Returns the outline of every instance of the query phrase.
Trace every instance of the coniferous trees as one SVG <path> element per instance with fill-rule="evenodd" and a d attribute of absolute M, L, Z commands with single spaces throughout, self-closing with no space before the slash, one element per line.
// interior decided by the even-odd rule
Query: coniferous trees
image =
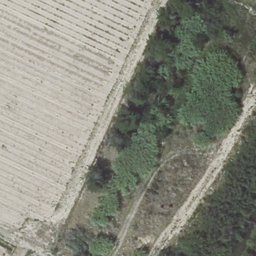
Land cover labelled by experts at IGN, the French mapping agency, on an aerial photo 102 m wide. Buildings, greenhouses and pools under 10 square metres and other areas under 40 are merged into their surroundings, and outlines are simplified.
<path fill-rule="evenodd" d="M 175 59 L 170 53 L 176 50 L 180 43 L 175 37 L 175 30 L 181 24 L 181 15 L 195 16 L 199 13 L 203 21 L 223 29 L 225 26 L 234 27 L 238 19 L 235 13 L 236 4 L 225 0 L 168 0 L 166 6 L 158 11 L 155 31 L 149 35 L 142 53 L 144 59 L 150 62 L 163 61 L 164 65 L 159 67 L 158 72 L 165 73 L 166 80 L 169 79 L 169 70 L 176 67 Z"/>

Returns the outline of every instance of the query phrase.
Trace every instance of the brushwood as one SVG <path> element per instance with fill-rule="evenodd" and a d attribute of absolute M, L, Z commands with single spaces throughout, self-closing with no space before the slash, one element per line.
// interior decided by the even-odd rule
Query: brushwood
<path fill-rule="evenodd" d="M 167 246 L 158 256 L 230 256 L 236 242 L 242 239 L 240 234 L 244 231 L 245 223 L 256 211 L 256 108 L 245 119 L 242 133 L 223 161 L 223 168 L 205 193 L 204 202 L 197 205 L 179 232 L 178 245 Z"/>
<path fill-rule="evenodd" d="M 118 152 L 118 157 L 110 161 L 113 171 L 108 181 L 101 192 L 107 192 L 109 195 L 98 197 L 99 207 L 94 209 L 93 219 L 102 223 L 110 222 L 114 213 L 123 208 L 120 189 L 126 189 L 129 184 L 139 185 L 144 174 L 160 166 L 162 154 L 158 153 L 158 148 L 162 147 L 162 141 L 167 136 L 172 134 L 178 122 L 184 126 L 199 124 L 195 143 L 201 145 L 215 142 L 216 134 L 228 135 L 235 126 L 243 112 L 244 91 L 237 88 L 242 74 L 238 70 L 237 62 L 225 51 L 227 43 L 232 39 L 223 29 L 203 21 L 199 13 L 195 16 L 181 15 L 181 24 L 175 30 L 175 37 L 180 43 L 176 50 L 170 53 L 175 59 L 176 67 L 169 70 L 169 79 L 166 80 L 163 83 L 155 82 L 153 86 L 156 92 L 148 96 L 150 110 L 143 113 L 138 131 L 132 134 L 131 146 Z"/>
<path fill-rule="evenodd" d="M 77 240 L 70 239 L 71 243 L 75 243 L 79 248 L 75 256 L 105 256 L 115 243 L 103 238 L 85 242 L 79 237 Z"/>
<path fill-rule="evenodd" d="M 250 238 L 248 239 L 246 247 L 244 248 L 244 251 L 242 252 L 241 256 L 256 256 L 256 224 L 254 225 Z"/>

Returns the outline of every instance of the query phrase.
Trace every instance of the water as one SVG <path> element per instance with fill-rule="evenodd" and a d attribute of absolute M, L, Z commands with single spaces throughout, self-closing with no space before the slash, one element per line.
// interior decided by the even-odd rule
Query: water
<path fill-rule="evenodd" d="M 254 225 L 256 224 L 256 211 L 245 223 L 244 231 L 240 234 L 242 239 L 236 242 L 230 256 L 241 256 L 242 252 L 244 251 L 244 248 L 246 247 L 248 239 L 250 238 Z"/>

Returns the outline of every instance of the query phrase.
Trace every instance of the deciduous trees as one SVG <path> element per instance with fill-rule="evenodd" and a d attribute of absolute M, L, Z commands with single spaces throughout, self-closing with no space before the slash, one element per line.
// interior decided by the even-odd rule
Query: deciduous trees
<path fill-rule="evenodd" d="M 108 181 L 100 181 L 101 170 L 96 164 L 92 164 L 86 173 L 85 182 L 91 192 L 101 192 Z"/>
<path fill-rule="evenodd" d="M 158 72 L 159 67 L 164 65 L 163 61 L 150 62 L 144 59 L 137 63 L 130 82 L 124 87 L 118 111 L 108 127 L 115 131 L 111 142 L 118 152 L 131 146 L 132 134 L 138 131 L 143 113 L 150 110 L 148 96 L 156 92 L 153 86 L 155 82 L 163 83 L 166 80 L 165 73 Z"/>

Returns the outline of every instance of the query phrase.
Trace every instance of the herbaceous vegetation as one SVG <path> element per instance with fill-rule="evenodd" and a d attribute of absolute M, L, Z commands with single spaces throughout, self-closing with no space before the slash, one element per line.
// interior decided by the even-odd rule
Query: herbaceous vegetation
<path fill-rule="evenodd" d="M 126 189 L 120 189 L 123 208 L 114 213 L 110 222 L 102 223 L 93 219 L 94 209 L 99 207 L 98 197 L 109 195 L 107 192 L 101 192 L 91 192 L 85 182 L 68 217 L 61 219 L 60 222 L 51 222 L 47 225 L 46 220 L 25 218 L 19 228 L 10 223 L 0 223 L 0 256 L 75 256 L 79 248 L 75 243 L 71 243 L 70 239 L 77 240 L 79 237 L 85 242 L 103 238 L 115 243 L 105 256 L 158 256 L 167 246 L 178 245 L 179 232 L 197 205 L 204 202 L 205 193 L 223 168 L 223 161 L 242 133 L 245 119 L 256 108 L 256 0 L 225 0 L 236 4 L 235 13 L 238 19 L 234 27 L 225 26 L 223 29 L 232 39 L 227 43 L 225 51 L 237 62 L 238 70 L 242 74 L 237 88 L 244 91 L 243 112 L 235 126 L 228 135 L 216 134 L 215 142 L 201 145 L 195 143 L 199 124 L 184 126 L 178 122 L 172 134 L 167 136 L 162 141 L 162 147 L 158 148 L 158 153 L 162 154 L 160 166 L 144 174 L 139 185 L 129 184 Z"/>
<path fill-rule="evenodd" d="M 108 127 L 92 164 L 96 164 L 101 170 L 100 181 L 108 181 L 113 171 L 110 161 L 118 157 L 118 152 L 111 142 L 115 131 Z"/>

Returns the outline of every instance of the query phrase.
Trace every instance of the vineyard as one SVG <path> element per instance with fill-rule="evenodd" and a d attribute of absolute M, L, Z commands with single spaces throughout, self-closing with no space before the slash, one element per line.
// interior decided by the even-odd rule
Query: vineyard
<path fill-rule="evenodd" d="M 149 35 L 155 31 L 158 11 L 166 6 L 168 0 L 0 0 L 0 223 L 10 223 L 19 228 L 25 218 L 46 220 L 47 225 L 51 222 L 60 222 L 61 219 L 68 217 L 85 182 L 86 173 L 92 164 L 108 127 L 118 111 L 124 87 L 130 82 L 137 63 L 144 59 L 142 53 Z"/>

